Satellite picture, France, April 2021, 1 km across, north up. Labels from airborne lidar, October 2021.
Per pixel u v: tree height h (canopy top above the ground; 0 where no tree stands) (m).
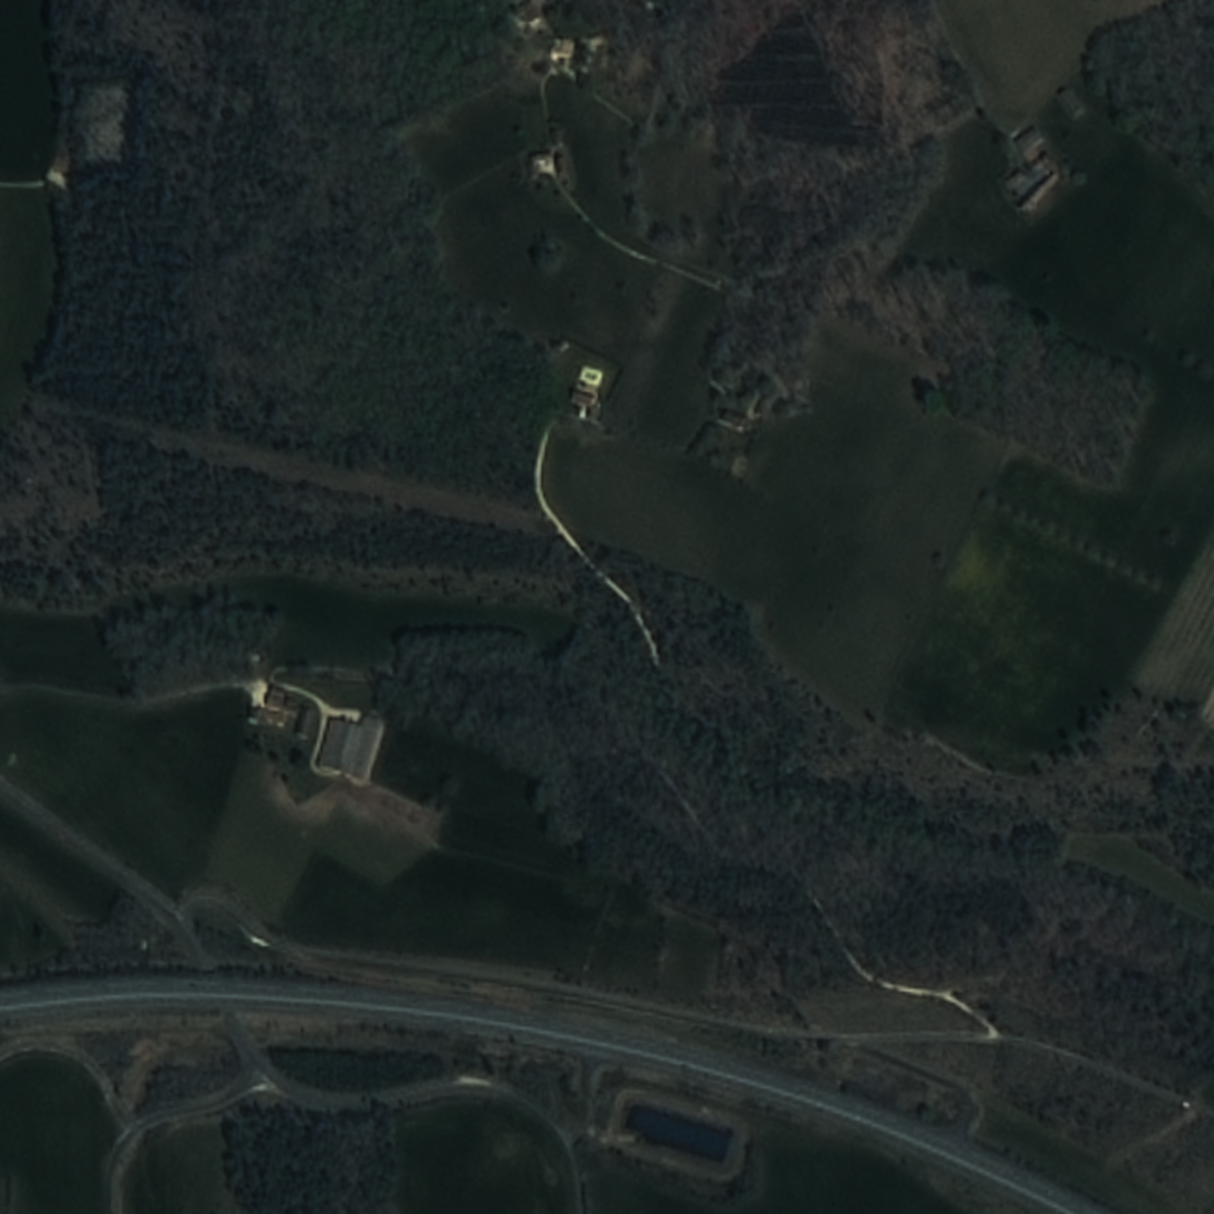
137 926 10
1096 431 20
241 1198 10
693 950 0
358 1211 20
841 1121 0
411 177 20
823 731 8
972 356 21
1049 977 9
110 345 11
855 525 0
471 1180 0
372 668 0
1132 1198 0
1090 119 0
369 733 0
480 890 0
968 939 12
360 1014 0
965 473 0
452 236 0
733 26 7
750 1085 0
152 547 6
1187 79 20
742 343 17
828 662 0
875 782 13
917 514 0
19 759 0
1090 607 0
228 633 18
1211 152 19
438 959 0
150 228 9
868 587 0
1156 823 7
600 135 0
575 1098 6
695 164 0
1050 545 0
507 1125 0
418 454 18
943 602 0
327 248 13
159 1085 9
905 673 0
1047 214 0
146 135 18
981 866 20
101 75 10
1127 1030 13
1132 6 0
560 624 0
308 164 17
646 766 23
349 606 0
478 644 18
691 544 0
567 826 22
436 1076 9
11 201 0
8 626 0
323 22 17
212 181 12
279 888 0
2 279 0
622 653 21
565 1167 0
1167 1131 0
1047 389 20
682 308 0
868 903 21
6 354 0
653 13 9
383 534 10
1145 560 0
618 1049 0
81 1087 0
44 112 0
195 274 16
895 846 19
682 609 8
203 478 10
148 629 15
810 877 21
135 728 0
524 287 0
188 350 9
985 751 0
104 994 0
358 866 0
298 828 0
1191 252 0
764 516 0
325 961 0
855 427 0
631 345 0
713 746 25
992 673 0
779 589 0
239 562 9
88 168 6
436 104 19
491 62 16
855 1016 0
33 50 0
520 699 24
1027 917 17
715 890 24
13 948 0
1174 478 0
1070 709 0
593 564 12
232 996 0
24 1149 0
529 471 16
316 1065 11
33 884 0
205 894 0
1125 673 0
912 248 0
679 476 0
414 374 22
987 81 0
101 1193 0
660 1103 0
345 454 7
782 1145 0
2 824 0
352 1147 19
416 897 0
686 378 0
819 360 0
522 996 0
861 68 13
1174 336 0
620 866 18
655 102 18
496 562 14
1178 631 0
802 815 19
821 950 14
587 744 22
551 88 0
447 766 0
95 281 11
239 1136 17
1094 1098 6
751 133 14
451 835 0
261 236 16
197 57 21
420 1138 0
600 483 0
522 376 22
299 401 19
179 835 0
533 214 0
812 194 8
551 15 14
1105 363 17
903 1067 0
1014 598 0
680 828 18
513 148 0
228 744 0
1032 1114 11
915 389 0
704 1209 0
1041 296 0
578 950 0
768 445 0
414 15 16
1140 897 8
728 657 19
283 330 16
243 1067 6
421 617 0
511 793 0
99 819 0
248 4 12
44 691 0
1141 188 0
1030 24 0
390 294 16
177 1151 0
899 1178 0
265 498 12
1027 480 0
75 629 0
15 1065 0
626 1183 0
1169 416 0
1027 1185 0
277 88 13
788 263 23
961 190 0
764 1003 11
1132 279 0
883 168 16
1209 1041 12
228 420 13
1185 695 0
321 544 16
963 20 0
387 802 0
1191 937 24
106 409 12
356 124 17
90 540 14
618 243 0
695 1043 0
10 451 9
